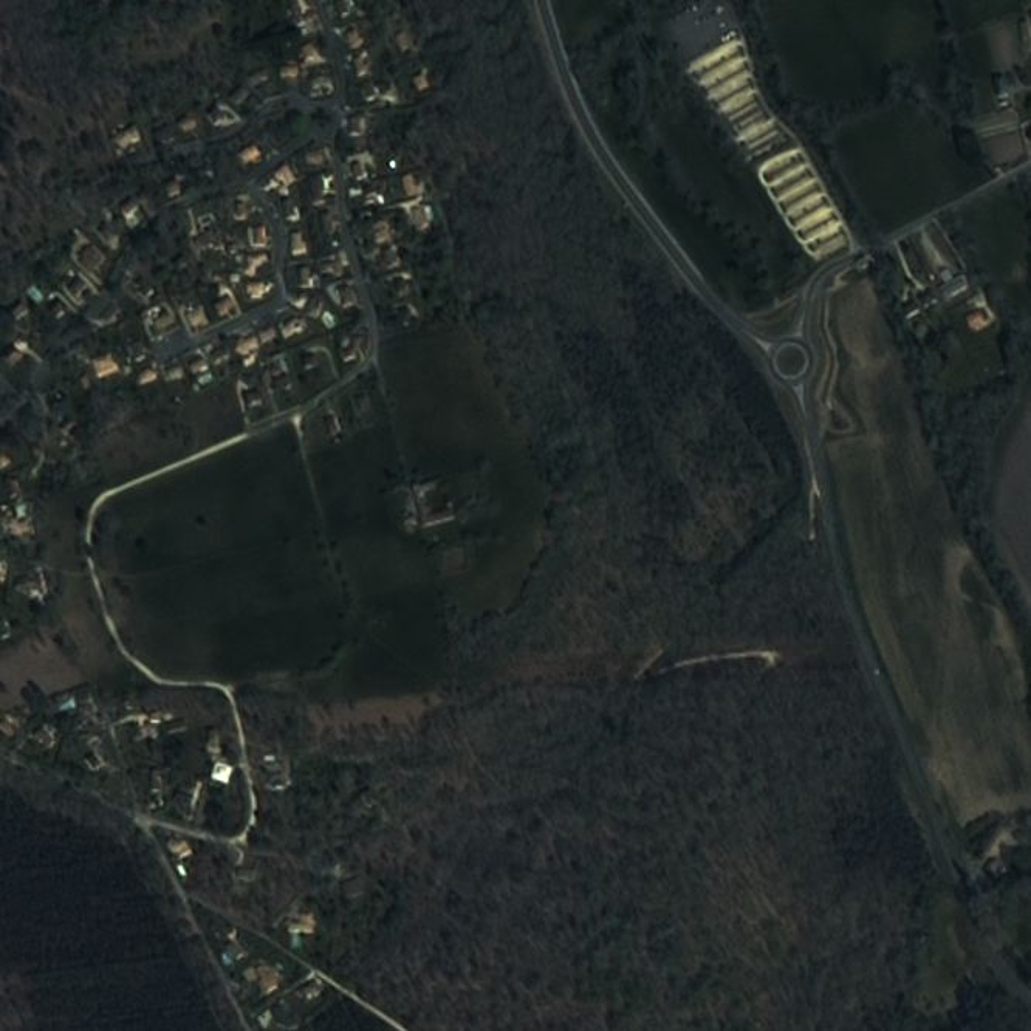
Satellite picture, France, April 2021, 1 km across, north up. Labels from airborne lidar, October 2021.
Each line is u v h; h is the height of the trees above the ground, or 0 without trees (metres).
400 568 0
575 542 24
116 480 0
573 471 21
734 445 7
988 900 24
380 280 9
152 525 0
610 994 16
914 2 0
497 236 13
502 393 11
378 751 17
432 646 0
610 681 9
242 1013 7
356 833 10
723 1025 13
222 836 17
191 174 5
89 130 0
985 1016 22
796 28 0
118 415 15
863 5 0
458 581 0
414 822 15
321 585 0
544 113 23
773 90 12
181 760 25
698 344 12
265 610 0
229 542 0
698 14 0
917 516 0
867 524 0
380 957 12
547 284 18
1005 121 0
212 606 0
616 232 21
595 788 18
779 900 23
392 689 0
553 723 22
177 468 0
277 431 0
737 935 18
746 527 9
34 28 11
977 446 23
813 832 21
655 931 14
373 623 0
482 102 20
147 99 18
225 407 10
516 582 0
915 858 23
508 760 18
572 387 17
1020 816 8
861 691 20
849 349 0
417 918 10
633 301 12
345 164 7
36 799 18
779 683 20
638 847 18
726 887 22
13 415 16
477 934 14
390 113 9
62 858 13
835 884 17
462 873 11
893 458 0
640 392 17
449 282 17
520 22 23
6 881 13
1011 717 0
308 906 12
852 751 22
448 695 15
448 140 20
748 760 17
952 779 0
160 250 18
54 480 6
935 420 23
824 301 0
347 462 0
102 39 18
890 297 21
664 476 17
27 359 12
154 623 0
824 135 16
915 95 17
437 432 0
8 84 11
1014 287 0
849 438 0
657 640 22
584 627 17
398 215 8
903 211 0
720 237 8
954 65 21
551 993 11
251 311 0
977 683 0
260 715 19
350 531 0
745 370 16
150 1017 13
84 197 14
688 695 14
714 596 15
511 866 12
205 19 18
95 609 15
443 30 24
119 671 0
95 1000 11
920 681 0
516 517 0
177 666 0
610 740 21
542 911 12
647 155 14
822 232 0
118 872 12
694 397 16
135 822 15
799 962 26
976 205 0
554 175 20
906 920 25
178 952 12
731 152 11
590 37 0
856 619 0
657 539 20
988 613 0
